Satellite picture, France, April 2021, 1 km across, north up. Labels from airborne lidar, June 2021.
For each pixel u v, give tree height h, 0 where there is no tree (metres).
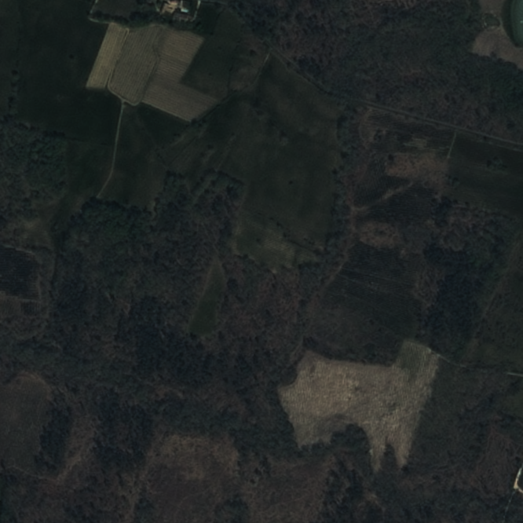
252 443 17
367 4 8
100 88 0
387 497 19
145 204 0
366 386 0
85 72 0
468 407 10
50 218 0
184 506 0
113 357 9
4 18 0
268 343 6
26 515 14
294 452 18
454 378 13
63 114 0
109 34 0
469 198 0
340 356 9
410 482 9
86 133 0
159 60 0
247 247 0
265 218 0
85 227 22
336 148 0
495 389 7
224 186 17
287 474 0
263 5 8
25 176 20
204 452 0
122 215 22
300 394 0
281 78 0
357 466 12
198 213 16
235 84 0
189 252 9
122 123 0
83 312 17
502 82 20
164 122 0
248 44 0
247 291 12
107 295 17
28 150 19
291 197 0
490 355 0
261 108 0
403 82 13
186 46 0
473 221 9
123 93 0
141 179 0
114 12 0
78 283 7
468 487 14
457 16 21
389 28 21
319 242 0
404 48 15
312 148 0
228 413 12
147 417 22
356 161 15
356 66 15
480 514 15
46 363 14
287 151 0
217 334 10
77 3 0
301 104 0
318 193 0
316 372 0
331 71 19
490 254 21
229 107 0
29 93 0
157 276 16
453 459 6
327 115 0
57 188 20
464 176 0
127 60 0
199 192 16
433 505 17
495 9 0
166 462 0
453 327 14
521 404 0
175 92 0
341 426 0
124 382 11
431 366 0
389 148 0
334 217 18
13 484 13
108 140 0
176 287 9
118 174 0
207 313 0
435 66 13
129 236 16
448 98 8
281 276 11
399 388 0
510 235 14
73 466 0
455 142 0
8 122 17
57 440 17
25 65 0
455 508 15
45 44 0
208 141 0
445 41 15
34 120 0
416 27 19
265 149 0
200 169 0
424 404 0
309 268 16
